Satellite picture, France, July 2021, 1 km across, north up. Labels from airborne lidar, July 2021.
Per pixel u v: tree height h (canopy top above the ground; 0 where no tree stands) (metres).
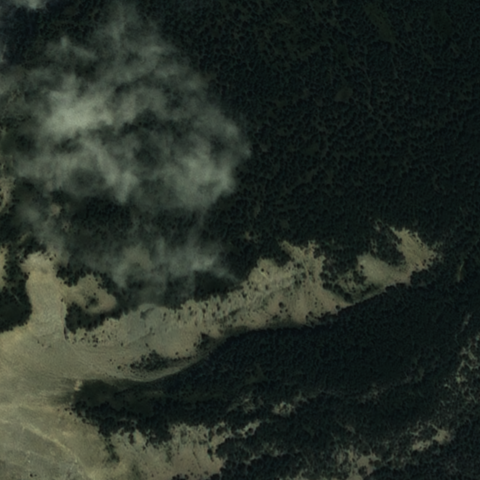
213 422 9
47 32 17
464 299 27
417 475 24
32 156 9
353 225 20
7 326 7
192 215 9
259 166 17
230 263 21
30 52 8
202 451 0
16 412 0
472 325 22
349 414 12
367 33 19
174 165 20
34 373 0
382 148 21
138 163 19
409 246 0
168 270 19
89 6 18
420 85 14
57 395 0
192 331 0
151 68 17
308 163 16
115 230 16
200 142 22
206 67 16
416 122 15
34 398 0
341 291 15
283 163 19
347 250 15
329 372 22
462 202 17
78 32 20
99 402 0
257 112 14
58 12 15
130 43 12
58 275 8
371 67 19
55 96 11
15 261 7
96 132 13
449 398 13
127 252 0
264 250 10
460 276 0
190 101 10
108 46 23
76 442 0
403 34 18
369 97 18
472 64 22
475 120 23
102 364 0
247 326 0
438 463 9
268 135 13
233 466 16
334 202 13
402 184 22
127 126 18
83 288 0
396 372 18
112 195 0
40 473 0
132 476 0
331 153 20
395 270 0
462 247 24
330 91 18
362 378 21
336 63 13
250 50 19
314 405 29
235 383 28
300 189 15
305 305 0
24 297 12
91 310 0
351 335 28
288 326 0
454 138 18
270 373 16
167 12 7
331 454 7
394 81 18
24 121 9
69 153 9
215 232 19
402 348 21
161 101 19
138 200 12
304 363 25
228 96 19
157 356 9
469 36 18
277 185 16
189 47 18
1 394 0
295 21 7
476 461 14
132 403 0
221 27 17
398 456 9
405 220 17
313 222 16
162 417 20
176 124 12
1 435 0
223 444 7
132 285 8
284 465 12
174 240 17
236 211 14
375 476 13
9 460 0
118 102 13
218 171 16
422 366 16
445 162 17
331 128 17
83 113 7
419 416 10
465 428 16
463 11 26
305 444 10
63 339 0
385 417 19
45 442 0
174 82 10
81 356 0
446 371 17
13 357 0
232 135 17
